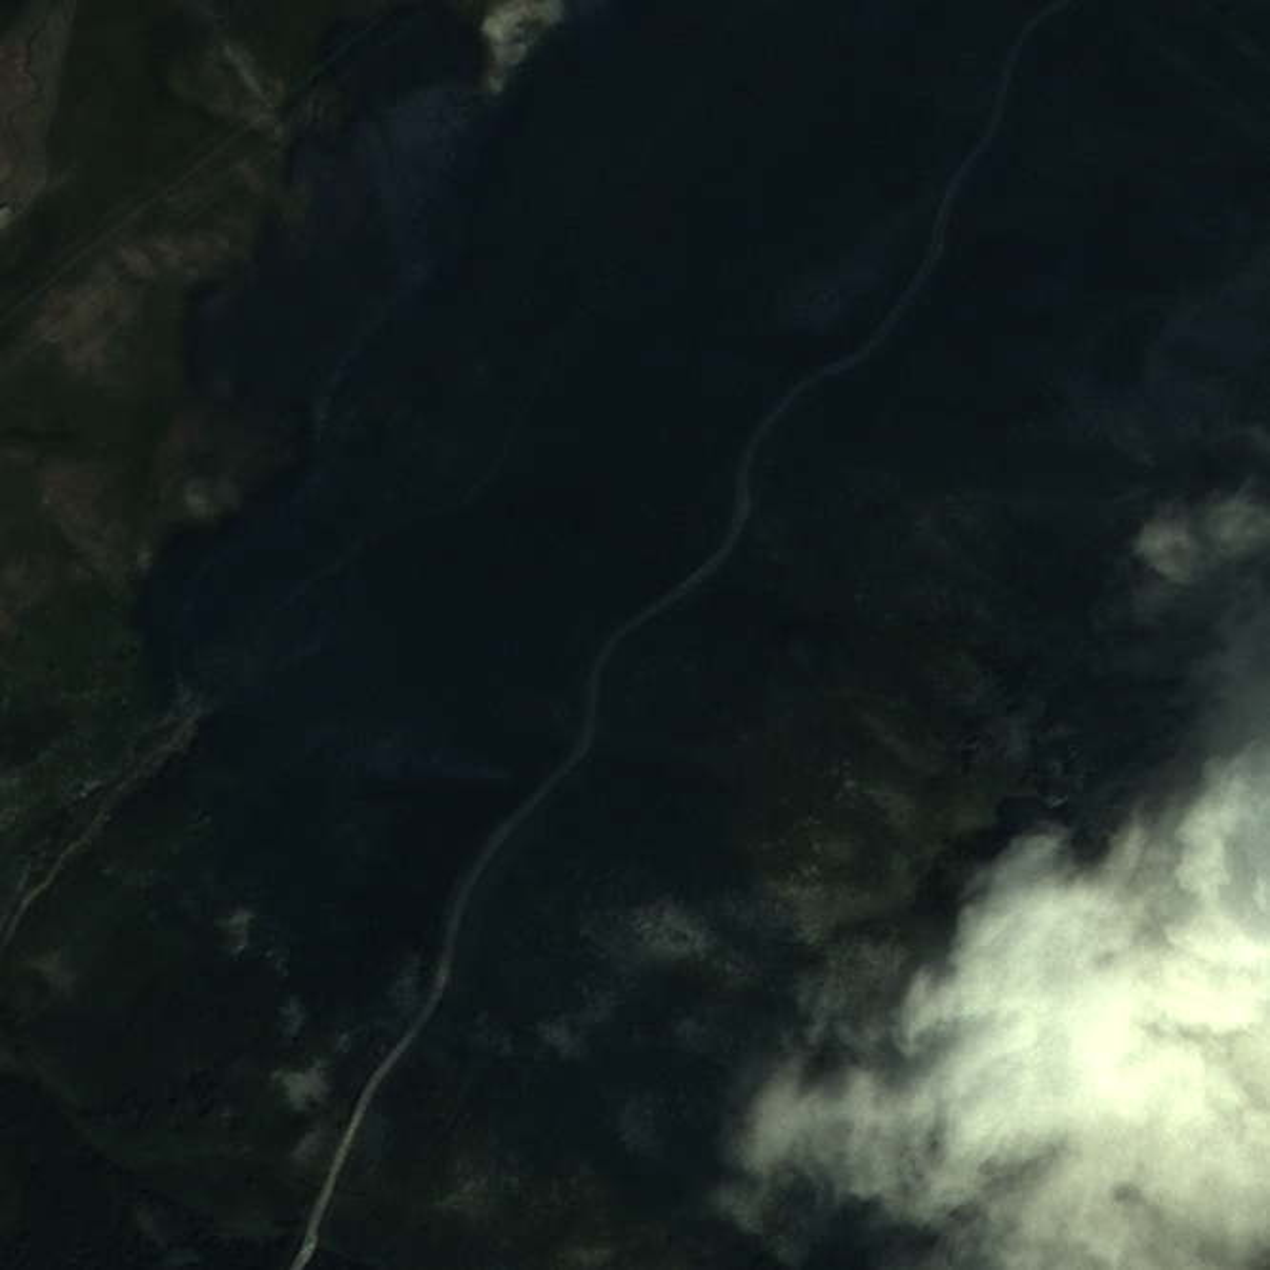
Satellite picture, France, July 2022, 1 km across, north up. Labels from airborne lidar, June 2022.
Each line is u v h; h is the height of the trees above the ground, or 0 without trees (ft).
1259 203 0
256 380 0
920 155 0
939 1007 0
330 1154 0
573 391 0
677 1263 0
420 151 0
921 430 0
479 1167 0
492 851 0
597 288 0
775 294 0
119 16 0
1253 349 0
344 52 0
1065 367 0
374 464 0
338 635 0
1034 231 0
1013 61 0
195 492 0
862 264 0
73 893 0
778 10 0
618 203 0
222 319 0
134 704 0
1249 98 0
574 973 0
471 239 25
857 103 0
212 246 0
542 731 0
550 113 0
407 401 0
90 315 0
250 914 0
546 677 0
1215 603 0
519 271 0
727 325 0
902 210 0
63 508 0
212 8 0
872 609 0
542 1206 0
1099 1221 0
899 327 0
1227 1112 0
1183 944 0
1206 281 0
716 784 0
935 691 0
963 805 0
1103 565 0
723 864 0
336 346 0
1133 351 0
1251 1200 0
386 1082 0
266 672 0
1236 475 0
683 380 0
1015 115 0
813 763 0
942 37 0
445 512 0
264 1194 0
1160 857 0
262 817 0
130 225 0
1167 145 0
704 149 0
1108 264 0
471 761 0
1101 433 0
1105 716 0
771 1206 0
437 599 0
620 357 0
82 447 0
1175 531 0
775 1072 0
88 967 0
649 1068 0
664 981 0
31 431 0
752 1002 0
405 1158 0
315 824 0
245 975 0
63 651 0
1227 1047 0
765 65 0
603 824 0
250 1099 0
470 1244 0
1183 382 0
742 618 0
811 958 0
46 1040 0
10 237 0
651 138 0
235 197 0
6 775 0
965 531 0
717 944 0
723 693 0
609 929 0
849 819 0
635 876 0
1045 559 0
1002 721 0
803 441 0
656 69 0
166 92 0
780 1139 0
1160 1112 0
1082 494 0
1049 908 0
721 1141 0
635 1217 0
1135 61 0
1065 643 0
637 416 0
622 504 0
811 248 0
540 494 0
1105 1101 0
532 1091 0
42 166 0
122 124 0
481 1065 0
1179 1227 0
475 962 0
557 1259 0
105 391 0
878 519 0
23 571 0
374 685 0
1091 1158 0
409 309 0
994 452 0
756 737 0
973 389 0
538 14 0
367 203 0
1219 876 0
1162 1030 0
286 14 0
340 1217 0
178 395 0
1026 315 0
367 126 0
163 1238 0
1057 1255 0
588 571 0
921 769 0
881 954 0
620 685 0
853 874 0
